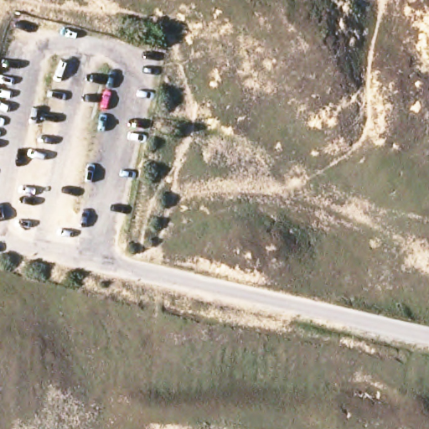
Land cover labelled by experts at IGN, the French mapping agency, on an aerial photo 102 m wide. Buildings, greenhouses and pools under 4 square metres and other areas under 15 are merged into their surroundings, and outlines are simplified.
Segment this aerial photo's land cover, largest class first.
<instances>
[{"label":"herbaceous vegetation","instance_id":"1","mask_svg":"<svg viewBox=\"0 0 429 429\"><path fill-rule=\"evenodd\" d=\"M171 0H119V7L132 8L141 13L139 17L152 18L156 8L163 12V17H168L171 13ZM183 5L194 3V8L203 13V22H211L214 10H221L233 27L231 39H238L240 35L251 37L260 42V47L271 49L273 59L285 62V69H282V72L288 77L287 84L290 85V90H275L268 94L258 92L256 99H251L253 89L246 87L236 69L223 72L218 87H211L209 74L213 72L214 60L209 55H201L184 65V74L191 85L194 101L198 104L201 101L211 102L209 111L214 119H218L226 127H233V131L245 136L253 146L263 147L270 154L273 161L270 174L277 183H285L288 169L297 164L307 171L323 169V174L310 179L313 189L320 188L322 183H333L337 188L349 193L352 198L367 199L369 203H374L380 208H397L407 213L421 214L419 220L401 218L390 221L389 225L399 231L397 235L416 236L417 240L429 241V72H421L416 65L409 67L407 60L414 54L409 50H399V47L406 37H419V28L412 27V23L407 20L404 7L429 12V0H387L372 64V69L379 72L389 75L397 87V94L387 97V102L392 109L385 112V131L380 134L384 144H374L372 147H360L359 151L352 152L349 159L340 161L337 166H330L332 156L327 152L323 156H312V151L317 147L327 146L325 136H322L317 127L303 126L295 117L297 107L288 104L290 97H305L310 111L320 112L328 104H339L342 99L352 96L364 87L367 54L377 18V0H179ZM146 119L154 124L163 122L171 131L178 127L183 119L174 117L173 111L166 109L158 116L149 109ZM164 139V147L156 151V161L168 164L171 168L176 158V147L181 142L171 132H163L159 136ZM230 176L225 154L214 151L209 161H204L203 147L193 142L186 152V161L179 169V184L198 183L214 178L226 179ZM209 208V214H204L199 209L181 211V220L173 223V233L168 238H161L158 246L163 253L186 251L191 258L201 256L204 260L218 261L235 268L241 260L236 258L235 248H241L246 253L250 251L251 260L260 261L258 271L277 258L283 261L282 268H278L277 283L280 288L277 292L312 298L318 302L332 303L339 307L354 308L360 312L375 313L429 327V287L419 290L417 285L412 283L411 290L407 293L404 292V288H369V292H364L367 285V270L380 277L382 265L385 260H389L390 255L380 250V241L375 240L374 230L367 225L355 231L352 228H345L344 225H330V230L323 231L320 228H312V214L303 211L290 213L288 209L283 208L278 211V220H271L268 214L258 211V203H251L246 193H240V198L225 199L223 194L216 193L213 194L211 201L206 206ZM152 303L129 302L127 298L117 295L92 292L85 285L79 287L69 277H65L64 282H55L52 275L44 278L42 273H39L34 282L30 283L18 273L17 266L8 263V266L0 270V429H12L15 419H20L27 426L28 422L39 416L40 411L44 409L49 385H54L62 394L65 390L70 392L77 401L84 402V409L89 406V402L99 404L97 417L94 422H90L92 429H429V349L404 342L372 339L359 333L323 327L318 323L295 318L290 320V332H275L268 328L246 327L238 323L218 322L213 318L179 313L176 310H169L164 305L161 307V317L154 318Z\"/></svg>","mask_w":429,"mask_h":429},{"label":"pervious surface","instance_id":"2","mask_svg":"<svg viewBox=\"0 0 429 429\"><path fill-rule=\"evenodd\" d=\"M119 0H0V25L5 22L13 30V40L8 47V54L0 52V270L8 266V263L17 266L22 256H27L30 260L49 261L52 263V275L55 282H64L65 277H69L79 287L85 285L92 292L117 295L127 298L129 302L152 303L154 318L161 317V307L164 305L169 310H176L179 313L213 318L218 322L238 323L246 327L268 328L275 332H290V320L295 318L318 323L323 327L359 333L372 339L404 342L429 349V327L375 313L360 312L354 308L339 307L332 303L318 302L312 298L277 292L169 268L163 265V253L158 246H152L144 251L141 243L137 241L127 245L126 233L122 230L126 223V214L134 211L126 203L131 191V178L137 176V169L134 168L139 151V139H146L151 134L149 129L154 124L146 119L149 109L151 99L144 92L151 89L154 75L163 74V67H156V60L164 59V55L159 52L144 54L141 47H134L119 40L122 15L139 17L141 13L132 8L119 7ZM387 0H377V18L367 54L364 87V99L360 106L362 111L367 112L364 132L374 144H384L380 134L385 131V112L392 109L387 102L384 104L379 94V72L372 69V64ZM193 142L203 147L204 161H209L214 151L225 154L230 176L226 179L214 178L198 183L179 184V169L186 161V152ZM273 161L270 154L263 147L253 146L245 136L233 131L231 134H225L206 126L203 131L191 132L176 147V158L171 168L168 176L164 178L171 186V191L178 194L179 198L206 196L211 201L213 194L216 193L223 194L225 199L240 198V193H246L251 203H258V211L268 214L271 220H278V211L283 208L288 209L290 213L303 211L312 214V228H320L323 231L330 230V225H344L345 228H352L355 231L367 225L374 230L375 240L380 241V250L390 255L389 260H385L382 265L380 277L367 270V285L364 292H369V288H404V292L407 293L411 290L412 283L417 285L419 290L429 287V241L417 240L416 236L397 235L399 231L389 225L390 221L401 218L419 220L421 214L407 213L397 208H380L374 203H369L367 199L352 198L349 193L337 188L333 183H322L320 188L313 189L310 179L323 174V169L307 171L297 164L288 169L285 183H277L270 174Z\"/></svg>","mask_w":429,"mask_h":429},{"label":"bare soil","instance_id":"3","mask_svg":"<svg viewBox=\"0 0 429 429\"><path fill-rule=\"evenodd\" d=\"M171 13L168 17H163V12L156 8L152 18L158 20V27L163 30V45L141 47L144 54L159 52L164 55V59L156 60V67H163V74L154 75L151 89L144 92L151 99L154 97V87L161 85L166 94V109L173 111L174 117L183 119L204 122L206 126L225 134H231L233 131V127H226L218 119H214L209 111L211 102L201 101L198 104L194 101L191 85L184 74V65L201 55H209L214 60L213 72L209 74L211 87H218L223 72L236 69L246 87L253 89L251 99H256L258 92L268 94L275 90H290V85L287 84L288 77L282 72V69H285V62L273 59L271 49L260 47V42L251 37L240 35L238 39H231L233 27L221 10H214L211 22H203V13L194 8V3L183 5L179 0H171ZM407 20L412 23V27L419 28V37H406L399 47V50H409L414 54L407 60L409 67L416 65L421 72H429V12L404 7ZM13 40V30L5 22L0 25V52L8 54V47ZM379 94L384 104L387 102V97L397 94V87L389 75L379 72ZM364 99V87L352 96L342 99L339 104H328L320 112L310 111L305 97H290L288 104L297 107L295 117L303 126L317 127L322 136H325L327 146L317 147L312 151V156H323L327 152L332 156L330 166H337L340 161L349 159L352 152L359 151L360 147H372L374 144L364 132L367 112L362 111L360 106ZM151 134L146 139H139V151L134 168L137 169V176L131 178V191L126 203L134 211L126 214V223L122 230L126 233L127 245L137 241L141 243L144 251L152 246H158L161 238H168L173 233V223L181 220V211L199 209L204 214H209V208L206 206L211 201L206 196L179 198L178 194L171 191V186L164 178L159 183H152L149 174L144 171L147 163L156 161V151L164 147V139L159 136L163 132H171V131L163 122L154 124L149 129ZM236 258L241 260L235 268L218 261L204 260L201 256L191 258L186 251L163 253V265L169 268L277 292L280 288L277 283L278 268H282L283 261L277 258L258 271L260 261L251 260L250 251L246 253L241 248H235ZM99 404L89 402V406L84 409V402L77 401L70 392L65 390L62 394L54 385H49L44 409L40 411L39 416L28 422L27 426L20 419H15L12 429H92L90 422H94L97 417Z\"/></svg>","mask_w":429,"mask_h":429},{"label":"brushwood","instance_id":"4","mask_svg":"<svg viewBox=\"0 0 429 429\"><path fill-rule=\"evenodd\" d=\"M119 40L134 47H141L163 45V30L158 27V20L152 18L139 17L122 15ZM158 116L166 109V94L161 85L154 87V97L151 99L149 109ZM206 126L204 122L183 119L178 127L171 131V132L181 142L191 132L203 131ZM171 168L168 164L156 161L147 163L144 171L149 174L152 183H159L164 178L168 176ZM18 273L30 283L34 282L39 273H42L44 278L52 275V263L49 261L30 260L27 256H22L17 266Z\"/></svg>","mask_w":429,"mask_h":429}]
</instances>
